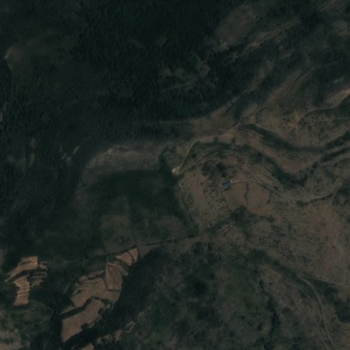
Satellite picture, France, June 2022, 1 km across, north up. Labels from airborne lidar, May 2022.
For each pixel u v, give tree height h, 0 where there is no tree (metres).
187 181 0
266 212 0
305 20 9
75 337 13
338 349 0
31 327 0
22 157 0
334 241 0
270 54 7
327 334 0
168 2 14
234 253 0
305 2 8
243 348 9
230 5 8
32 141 0
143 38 15
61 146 0
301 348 0
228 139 0
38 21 8
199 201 0
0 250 0
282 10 7
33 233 0
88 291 0
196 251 6
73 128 8
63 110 7
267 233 0
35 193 0
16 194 10
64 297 9
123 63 13
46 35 0
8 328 0
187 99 9
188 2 16
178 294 9
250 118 0
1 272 0
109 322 10
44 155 7
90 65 7
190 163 0
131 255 0
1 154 7
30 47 0
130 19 12
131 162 0
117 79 10
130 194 6
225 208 0
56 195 8
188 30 11
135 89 12
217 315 0
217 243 0
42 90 6
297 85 0
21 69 0
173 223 0
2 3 0
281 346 0
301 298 0
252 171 0
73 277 6
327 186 0
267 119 0
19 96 9
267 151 0
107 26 7
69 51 6
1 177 14
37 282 0
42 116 15
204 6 11
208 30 16
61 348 7
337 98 0
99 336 10
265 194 0
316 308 0
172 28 15
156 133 7
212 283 0
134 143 0
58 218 0
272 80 8
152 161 0
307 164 0
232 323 0
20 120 16
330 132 0
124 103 16
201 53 14
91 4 7
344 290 0
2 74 15
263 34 0
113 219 0
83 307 10
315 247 0
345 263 0
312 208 0
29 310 0
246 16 0
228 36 0
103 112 5
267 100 0
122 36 9
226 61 7
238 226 0
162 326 0
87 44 14
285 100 0
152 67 15
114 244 0
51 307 10
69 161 0
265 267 0
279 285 0
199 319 11
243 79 7
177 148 0
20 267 0
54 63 5
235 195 0
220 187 0
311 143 0
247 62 7
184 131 0
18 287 8
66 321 0
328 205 0
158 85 10
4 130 9
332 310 0
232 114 0
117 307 7
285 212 0
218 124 0
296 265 0
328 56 7
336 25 0
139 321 0
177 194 0
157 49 14
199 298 7
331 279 0
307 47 0
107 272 0
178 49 14
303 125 0
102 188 0
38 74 11
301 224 0
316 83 0
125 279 8
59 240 0
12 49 0
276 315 25
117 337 0
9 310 0
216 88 6
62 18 8
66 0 5
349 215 0
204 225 0
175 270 0
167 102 10
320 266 0
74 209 0
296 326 0
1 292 8
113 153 0
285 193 0
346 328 0
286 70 7
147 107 9
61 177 8
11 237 6
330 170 0
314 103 0
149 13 17
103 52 16
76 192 0
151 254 6
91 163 0
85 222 0
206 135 0
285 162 0
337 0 0
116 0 7
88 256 9
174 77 11
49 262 0
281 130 0
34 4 10
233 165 0
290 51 0
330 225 0
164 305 0
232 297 0
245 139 0
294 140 0
